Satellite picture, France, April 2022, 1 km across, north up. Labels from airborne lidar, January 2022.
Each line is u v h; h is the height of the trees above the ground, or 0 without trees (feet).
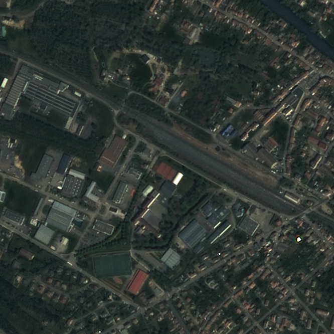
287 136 0
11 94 0
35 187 0
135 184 0
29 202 0
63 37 67
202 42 0
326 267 0
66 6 27
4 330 39
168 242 69
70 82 0
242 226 0
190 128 37
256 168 0
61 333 0
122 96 0
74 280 0
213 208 0
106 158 0
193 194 85
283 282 0
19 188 0
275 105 0
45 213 0
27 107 0
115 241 27
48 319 22
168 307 0
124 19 42
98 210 0
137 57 0
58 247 0
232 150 0
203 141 0
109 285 0
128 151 0
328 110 0
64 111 0
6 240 0
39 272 59
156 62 0
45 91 0
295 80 0
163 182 81
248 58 0
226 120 0
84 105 0
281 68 0
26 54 0
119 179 0
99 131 0
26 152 0
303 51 0
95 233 0
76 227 0
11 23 0
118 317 0
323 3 22
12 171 0
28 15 0
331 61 0
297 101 0
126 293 44
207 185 71
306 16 0
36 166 0
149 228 0
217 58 27
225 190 0
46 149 0
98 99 0
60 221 0
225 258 0
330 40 0
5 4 0
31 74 0
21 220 0
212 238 0
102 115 0
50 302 0
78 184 0
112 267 0
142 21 36
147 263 31
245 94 0
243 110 0
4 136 0
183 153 0
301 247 0
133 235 0
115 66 0
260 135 0
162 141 0
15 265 0
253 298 0
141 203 0
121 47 72
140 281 0
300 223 0
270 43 0
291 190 0
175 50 22
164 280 56
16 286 0
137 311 0
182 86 0
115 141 0
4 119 54
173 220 67
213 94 39
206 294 38
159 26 0
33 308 62
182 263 54
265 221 0
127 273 0
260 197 0
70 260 0
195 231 0
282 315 0
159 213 0
